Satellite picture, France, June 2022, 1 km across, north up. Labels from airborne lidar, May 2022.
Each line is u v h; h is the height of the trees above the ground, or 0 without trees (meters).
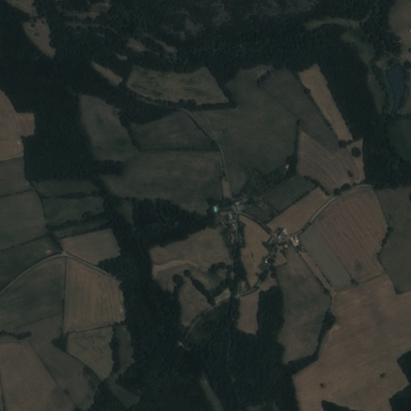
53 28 26
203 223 16
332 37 20
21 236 0
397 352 0
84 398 0
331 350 0
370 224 0
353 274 0
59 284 0
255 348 15
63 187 0
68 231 0
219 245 0
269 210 0
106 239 0
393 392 0
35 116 9
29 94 16
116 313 0
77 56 16
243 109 0
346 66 10
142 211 28
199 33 8
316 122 0
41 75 19
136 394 11
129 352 0
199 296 0
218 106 14
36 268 0
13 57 22
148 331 21
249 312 0
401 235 0
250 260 0
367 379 0
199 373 21
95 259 0
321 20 23
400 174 21
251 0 9
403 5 0
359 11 12
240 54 15
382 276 0
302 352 0
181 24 9
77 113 17
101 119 0
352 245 0
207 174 0
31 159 16
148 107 12
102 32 19
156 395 14
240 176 0
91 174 25
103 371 0
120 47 18
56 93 21
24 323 0
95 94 21
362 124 18
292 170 15
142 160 0
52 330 0
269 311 18
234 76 17
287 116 0
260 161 0
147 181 0
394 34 13
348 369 0
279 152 0
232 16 9
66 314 0
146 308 19
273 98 0
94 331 0
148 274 18
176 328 15
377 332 0
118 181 0
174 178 0
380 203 0
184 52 16
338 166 0
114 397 12
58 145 19
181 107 13
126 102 14
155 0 12
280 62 17
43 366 0
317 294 0
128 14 6
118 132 0
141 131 0
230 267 12
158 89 0
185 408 13
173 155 0
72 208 0
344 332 0
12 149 0
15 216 0
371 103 22
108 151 0
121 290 10
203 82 0
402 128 0
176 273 0
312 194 0
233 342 15
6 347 0
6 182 0
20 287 0
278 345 17
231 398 13
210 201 14
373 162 25
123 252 15
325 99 0
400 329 0
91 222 9
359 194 0
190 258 0
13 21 26
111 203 15
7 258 0
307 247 0
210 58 21
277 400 15
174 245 0
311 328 0
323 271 0
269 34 16
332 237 0
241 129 0
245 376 14
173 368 24
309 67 12
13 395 0
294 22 8
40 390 0
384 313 0
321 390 0
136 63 21
